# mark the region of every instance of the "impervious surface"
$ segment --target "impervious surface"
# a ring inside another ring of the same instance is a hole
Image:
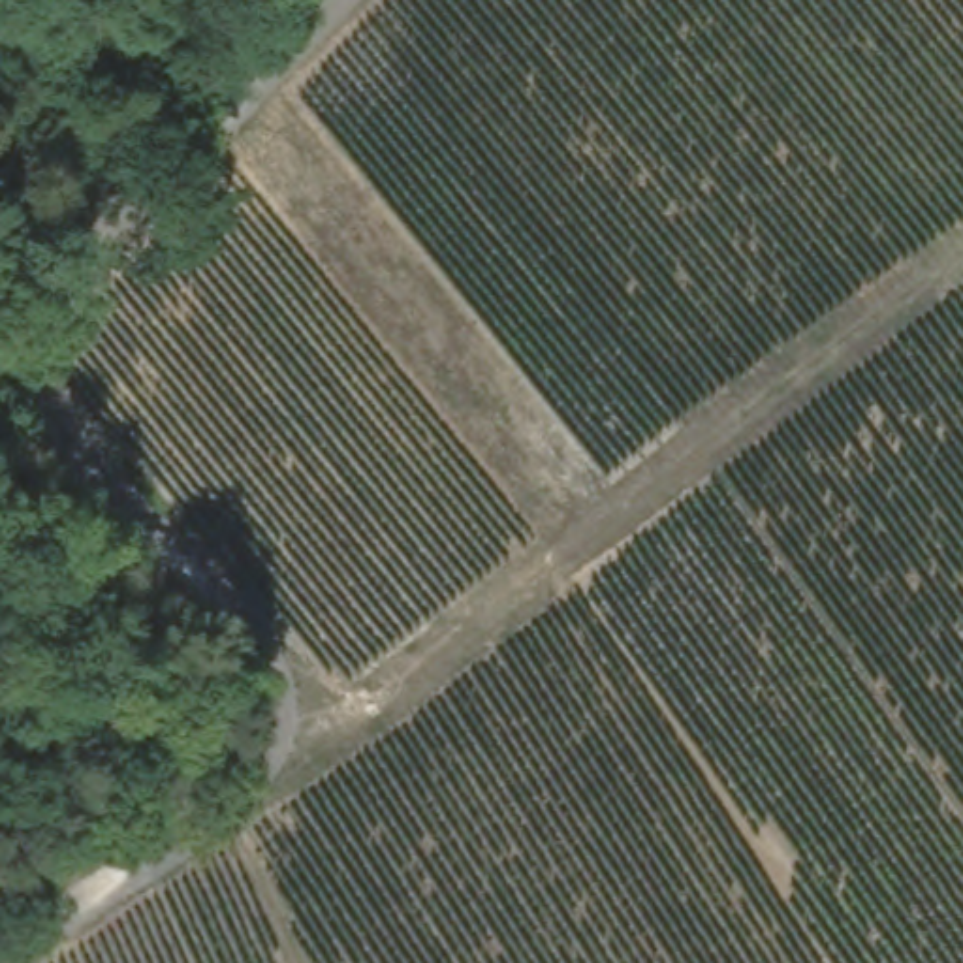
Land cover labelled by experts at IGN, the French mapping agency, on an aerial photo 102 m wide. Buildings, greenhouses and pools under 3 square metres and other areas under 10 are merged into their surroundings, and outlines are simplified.
[[[75,888],[68,892],[75,903],[98,910],[102,903],[109,903],[124,888],[124,869],[98,869],[75,880]]]

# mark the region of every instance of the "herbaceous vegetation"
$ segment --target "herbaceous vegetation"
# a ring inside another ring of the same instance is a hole
[[[124,888],[109,903],[102,903],[98,910],[75,903],[75,910],[64,918],[56,944],[64,952],[79,952],[79,944],[90,940],[105,922],[128,914],[132,903],[166,892],[162,880],[169,869],[188,873],[192,854],[166,854],[154,865],[124,869]]]
[[[395,357],[395,365],[410,376],[410,384],[425,395],[425,403],[440,414],[440,421],[459,436],[459,444],[478,459],[478,466],[493,478],[493,485],[527,523],[527,538],[512,538],[508,553],[485,576],[478,576],[448,606],[433,609],[425,621],[418,621],[387,651],[380,651],[354,673],[342,677],[339,670],[327,670],[297,632],[286,632],[282,647],[275,655],[275,670],[282,673],[286,692],[275,703],[278,726],[267,752],[263,809],[256,809],[245,820],[245,831],[256,831],[256,843],[267,846],[278,831],[297,828],[293,801],[305,790],[331,779],[361,749],[376,745],[391,730],[414,722],[414,715],[433,696],[448,692],[448,685],[470,673],[474,662],[485,662],[508,632],[527,628],[538,613],[564,602],[572,591],[591,587],[591,579],[606,564],[613,564],[643,530],[658,527],[692,493],[707,489],[715,470],[734,463],[745,448],[760,444],[782,418],[797,414],[816,391],[831,387],[854,365],[880,354],[899,335],[899,327],[929,312],[955,286],[963,286],[963,218],[918,252],[895,260],[876,278],[861,282],[846,301],[816,316],[794,339],[775,342],[741,376],[715,387],[677,421],[662,425],[613,470],[598,466],[587,455],[587,448],[572,436],[572,429],[557,418],[557,410],[538,395],[527,372],[512,361],[512,354],[497,342],[489,324],[474,312],[474,305],[455,290],[444,267],[421,248],[406,222],[384,203],[372,181],[354,166],[339,139],[305,105],[305,83],[372,15],[380,0],[327,0],[305,53],[286,71],[252,83],[248,98],[222,113],[222,143],[229,147],[237,169],[248,181],[248,188],[271,203],[278,222],[301,241],[312,263],[354,305],[354,312],[365,320],[376,342]]]

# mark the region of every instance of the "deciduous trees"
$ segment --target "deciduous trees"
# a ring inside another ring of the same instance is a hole
[[[275,670],[275,655],[282,647],[271,636],[248,632],[222,594],[188,591],[166,572],[166,564],[139,560],[143,534],[120,512],[117,497],[102,482],[90,482],[79,470],[71,470],[60,429],[64,403],[53,391],[60,387],[64,369],[75,361],[75,354],[87,342],[98,342],[102,335],[102,305],[94,297],[98,286],[109,286],[120,275],[173,282],[173,275],[203,271],[222,256],[218,248],[226,233],[237,229],[241,211],[229,188],[218,184],[218,177],[237,169],[229,147],[222,143],[222,113],[248,98],[252,83],[286,71],[305,53],[327,0],[0,0],[0,963],[34,963],[56,944],[64,918],[75,910],[75,903],[68,892],[75,888],[75,880],[98,869],[124,869],[154,865],[166,854],[192,854],[203,850],[211,835],[237,839],[245,831],[245,820],[256,809],[263,809],[267,752],[278,726],[275,703],[286,692],[282,673]]]

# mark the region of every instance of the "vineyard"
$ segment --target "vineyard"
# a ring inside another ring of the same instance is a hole
[[[354,673],[380,651],[387,651],[418,621],[425,621],[433,609],[448,606],[478,576],[485,576],[508,553],[512,538],[527,538],[527,523],[493,485],[493,478],[478,466],[478,459],[459,444],[459,436],[440,421],[440,414],[425,403],[425,395],[410,384],[410,376],[395,365],[395,357],[376,342],[365,320],[354,312],[354,305],[312,263],[301,241],[278,222],[271,203],[248,188],[248,181],[237,169],[218,177],[218,184],[229,188],[241,211],[237,229],[226,233],[218,248],[222,256],[203,271],[173,275],[173,282],[120,275],[109,286],[98,286],[94,297],[102,305],[102,335],[98,342],[87,342],[75,354],[75,361],[64,369],[60,387],[53,391],[64,403],[60,429],[71,470],[79,470],[90,482],[102,482],[117,497],[120,512],[143,534],[139,560],[166,564],[166,572],[188,591],[222,594],[248,632],[271,636],[282,647],[286,632],[297,632],[327,670],[339,670],[342,677]]]
[[[361,749],[331,779],[305,790],[293,801],[297,828],[278,831],[267,846],[256,843],[256,831],[245,831],[237,839],[211,835],[203,850],[192,854],[188,873],[169,869],[162,880],[166,892],[132,903],[128,914],[105,922],[90,940],[79,944],[79,952],[64,952],[56,944],[34,963],[963,963],[963,286],[955,286],[929,312],[899,327],[899,335],[880,354],[854,365],[831,387],[816,391],[797,414],[782,418],[760,444],[745,448],[734,463],[715,470],[707,489],[692,493],[658,527],[643,530],[613,564],[606,564],[591,579],[591,587],[572,591],[564,602],[538,613],[527,628],[508,632],[485,662],[474,662],[470,673],[448,685],[448,692],[433,696],[414,715],[414,722],[391,730],[376,745]]]
[[[512,354],[512,361],[527,372],[538,395],[557,410],[557,418],[572,429],[572,436],[587,448],[587,455],[598,466],[613,470],[662,425],[677,421],[715,387],[741,376],[775,342],[794,339],[816,316],[846,301],[861,282],[876,278],[895,260],[918,252],[963,218],[963,0],[380,0],[372,15],[305,83],[305,105],[339,139],[354,166],[372,181],[384,203],[406,222],[421,248],[444,267],[455,290],[474,305],[474,312],[489,324],[497,342]]]

